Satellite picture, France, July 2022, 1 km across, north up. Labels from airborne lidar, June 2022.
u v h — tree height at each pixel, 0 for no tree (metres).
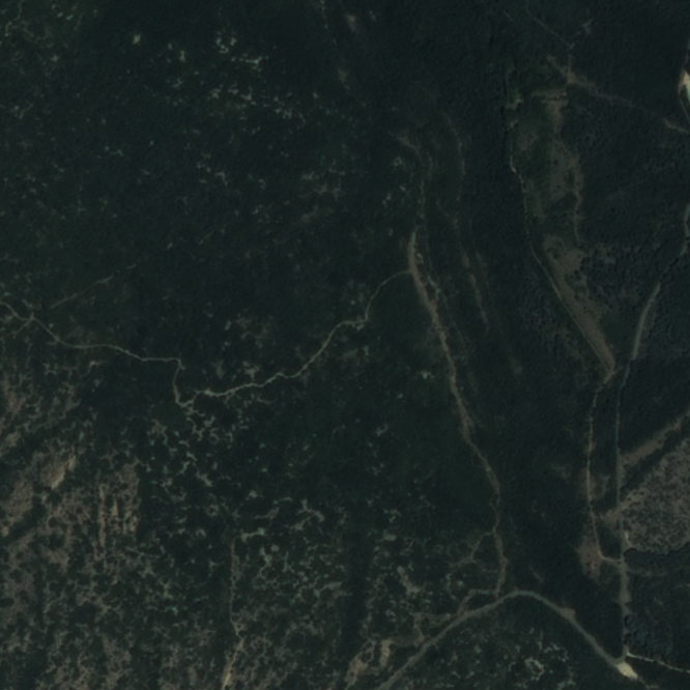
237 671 0
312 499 5
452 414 0
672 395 6
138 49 5
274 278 6
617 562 0
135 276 6
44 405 0
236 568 0
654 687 0
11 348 0
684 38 10
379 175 7
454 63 7
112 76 7
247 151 6
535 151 6
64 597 0
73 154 8
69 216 6
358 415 6
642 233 7
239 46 5
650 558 12
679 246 5
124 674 0
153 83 7
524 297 10
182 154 6
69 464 0
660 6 6
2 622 0
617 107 6
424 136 6
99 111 5
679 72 10
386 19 6
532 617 6
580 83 0
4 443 0
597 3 8
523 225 7
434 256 7
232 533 0
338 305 5
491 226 9
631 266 10
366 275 6
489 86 13
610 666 0
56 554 0
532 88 9
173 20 6
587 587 6
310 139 6
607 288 11
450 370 0
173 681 0
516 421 7
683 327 12
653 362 8
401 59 8
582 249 9
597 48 7
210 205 6
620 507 0
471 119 8
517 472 6
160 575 0
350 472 6
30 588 0
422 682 0
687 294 8
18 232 0
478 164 10
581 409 6
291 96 6
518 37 7
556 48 10
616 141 7
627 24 9
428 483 6
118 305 0
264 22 5
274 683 0
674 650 7
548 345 11
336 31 6
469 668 0
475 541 0
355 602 6
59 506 0
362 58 6
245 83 6
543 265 7
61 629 0
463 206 6
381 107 9
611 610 6
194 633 0
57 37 0
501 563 0
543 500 8
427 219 7
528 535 9
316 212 0
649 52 9
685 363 6
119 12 8
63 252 0
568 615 0
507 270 6
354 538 6
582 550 0
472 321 7
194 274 6
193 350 7
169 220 5
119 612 0
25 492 0
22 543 0
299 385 7
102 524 0
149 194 6
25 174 0
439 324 0
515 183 12
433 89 6
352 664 0
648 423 7
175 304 5
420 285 0
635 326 7
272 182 6
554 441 7
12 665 0
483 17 14
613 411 6
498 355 6
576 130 6
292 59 6
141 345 6
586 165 6
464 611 0
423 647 0
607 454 8
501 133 8
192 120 6
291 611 0
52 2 0
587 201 7
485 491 0
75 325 0
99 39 6
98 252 0
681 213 7
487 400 6
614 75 6
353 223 6
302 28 5
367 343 6
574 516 6
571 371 6
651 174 6
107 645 0
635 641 13
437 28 6
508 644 0
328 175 6
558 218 7
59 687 0
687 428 6
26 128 5
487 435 6
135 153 5
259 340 0
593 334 0
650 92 8
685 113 6
